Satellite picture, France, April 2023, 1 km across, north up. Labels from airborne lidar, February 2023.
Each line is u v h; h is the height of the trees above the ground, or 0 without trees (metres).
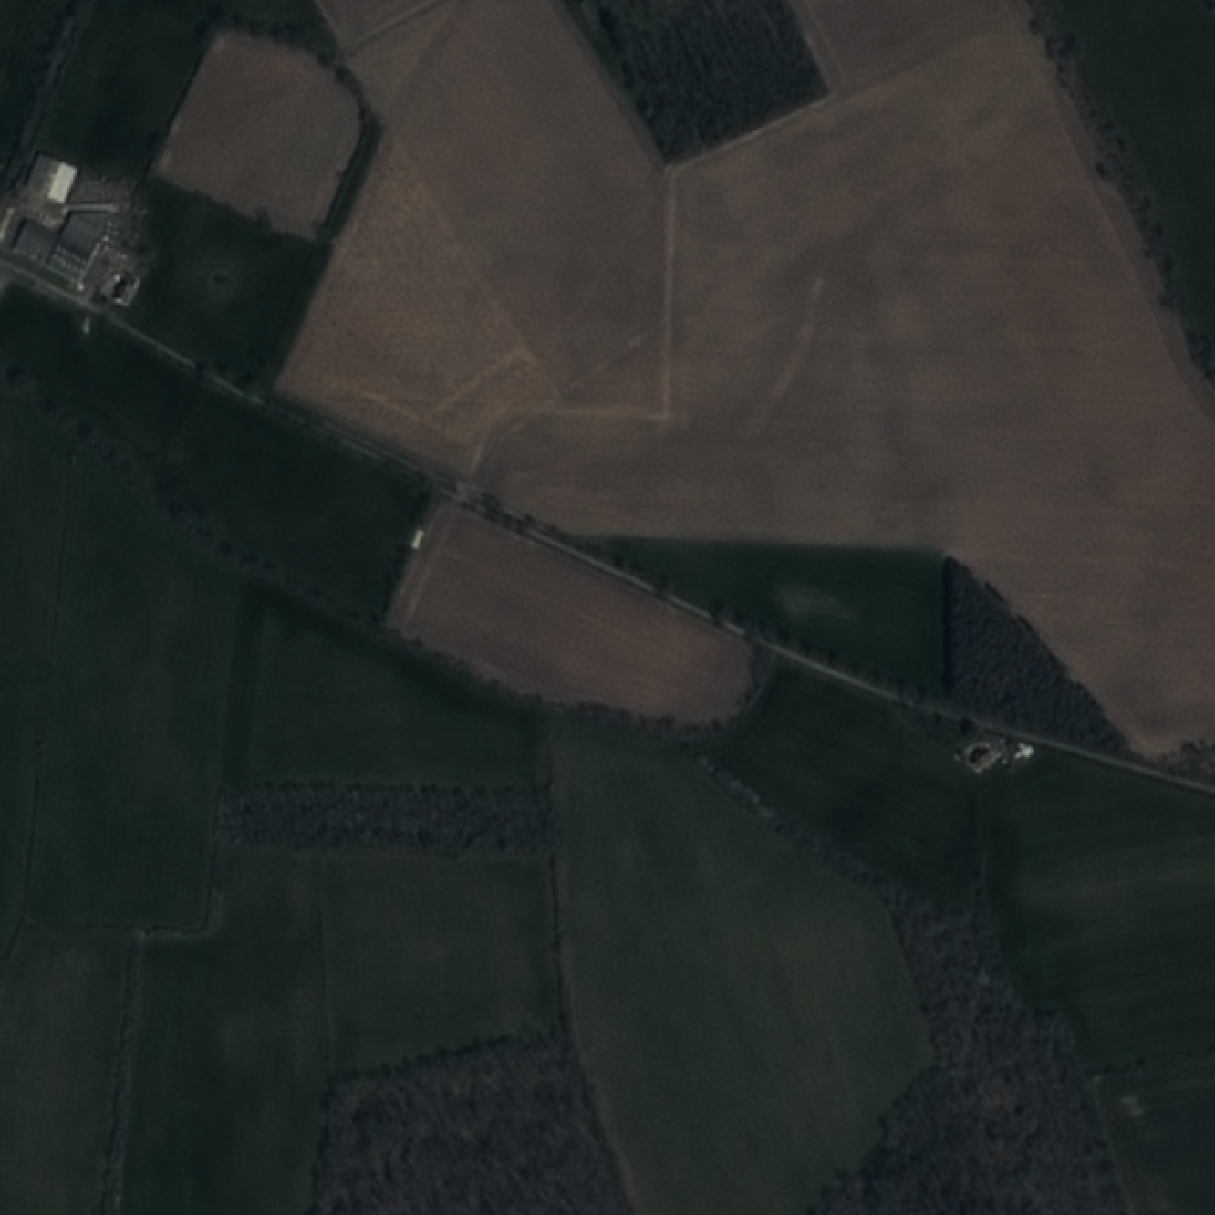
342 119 0
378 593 0
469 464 0
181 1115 0
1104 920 0
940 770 0
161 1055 0
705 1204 0
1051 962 0
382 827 14
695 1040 0
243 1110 0
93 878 0
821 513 0
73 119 0
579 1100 25
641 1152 0
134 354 0
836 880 0
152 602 0
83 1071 0
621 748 0
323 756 0
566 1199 22
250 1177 0
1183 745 0
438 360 0
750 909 0
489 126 0
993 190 0
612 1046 0
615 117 0
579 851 0
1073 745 18
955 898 0
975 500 0
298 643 0
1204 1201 0
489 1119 23
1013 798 0
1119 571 0
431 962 0
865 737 0
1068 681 21
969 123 0
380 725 0
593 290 0
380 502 0
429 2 0
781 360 0
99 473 0
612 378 0
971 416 0
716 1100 0
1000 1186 16
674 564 0
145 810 0
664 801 0
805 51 24
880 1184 19
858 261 0
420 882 0
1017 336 0
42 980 0
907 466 0
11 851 0
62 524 0
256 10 0
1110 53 0
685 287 0
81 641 0
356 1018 0
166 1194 0
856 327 0
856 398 0
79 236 0
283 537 0
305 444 0
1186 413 0
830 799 0
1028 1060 17
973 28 0
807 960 0
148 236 0
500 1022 0
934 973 12
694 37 23
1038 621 0
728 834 0
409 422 0
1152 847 0
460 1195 25
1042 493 0
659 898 0
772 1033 0
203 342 0
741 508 0
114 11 0
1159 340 0
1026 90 0
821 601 0
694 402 0
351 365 0
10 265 0
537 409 0
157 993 0
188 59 0
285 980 0
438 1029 0
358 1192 20
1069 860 0
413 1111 25
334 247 0
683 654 0
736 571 0
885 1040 0
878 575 0
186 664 0
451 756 0
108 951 0
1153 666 0
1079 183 0
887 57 0
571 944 0
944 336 0
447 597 0
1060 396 0
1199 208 0
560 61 0
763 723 0
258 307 0
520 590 0
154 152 13
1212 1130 0
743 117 24
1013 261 0
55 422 19
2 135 0
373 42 0
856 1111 0
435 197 0
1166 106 0
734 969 0
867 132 0
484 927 0
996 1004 12
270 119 0
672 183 0
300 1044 0
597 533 0
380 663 0
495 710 0
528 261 0
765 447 0
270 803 10
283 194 0
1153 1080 0
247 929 0
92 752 0
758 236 0
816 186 0
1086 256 0
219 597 0
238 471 0
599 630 0
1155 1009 0
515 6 0
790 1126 0
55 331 0
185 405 0
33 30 0
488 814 8
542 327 0
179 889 0
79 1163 0
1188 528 0
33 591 0
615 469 0
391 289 0
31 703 0
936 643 0
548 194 0
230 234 0
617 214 0
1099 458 0
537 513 0
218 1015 0
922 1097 14
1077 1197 16
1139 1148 0
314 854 15
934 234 0
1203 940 0
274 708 0
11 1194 0
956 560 0
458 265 0
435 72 0
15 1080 0
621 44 22
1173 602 0
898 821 0
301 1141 0
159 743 0
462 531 0
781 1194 0
